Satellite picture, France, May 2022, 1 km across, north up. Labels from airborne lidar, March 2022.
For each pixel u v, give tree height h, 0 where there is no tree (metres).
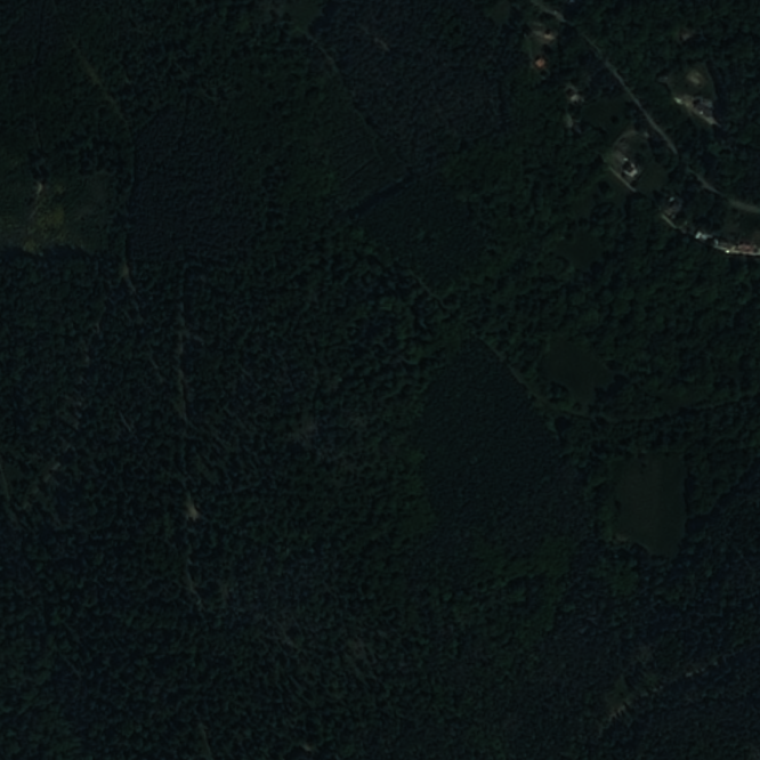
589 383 0
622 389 21
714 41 21
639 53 26
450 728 23
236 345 16
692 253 24
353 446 9
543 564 27
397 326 31
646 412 13
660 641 24
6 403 7
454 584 18
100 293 19
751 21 24
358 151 6
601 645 23
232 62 6
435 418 16
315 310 12
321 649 9
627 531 0
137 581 28
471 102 23
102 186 0
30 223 0
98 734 31
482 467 19
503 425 20
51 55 10
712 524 24
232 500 23
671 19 24
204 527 13
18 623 26
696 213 12
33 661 34
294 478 21
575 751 20
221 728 17
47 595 35
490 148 19
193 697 27
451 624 20
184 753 30
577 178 20
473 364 17
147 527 28
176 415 21
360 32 25
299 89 15
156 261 13
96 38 6
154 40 7
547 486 26
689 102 0
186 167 12
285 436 7
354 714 22
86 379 20
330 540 6
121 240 8
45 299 17
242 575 22
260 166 6
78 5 12
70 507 33
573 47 20
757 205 15
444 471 18
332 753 23
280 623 23
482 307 18
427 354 15
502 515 27
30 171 6
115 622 33
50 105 9
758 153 18
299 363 8
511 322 9
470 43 19
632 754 20
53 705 32
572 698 19
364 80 24
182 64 10
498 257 13
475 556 11
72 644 30
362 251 16
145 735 30
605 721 25
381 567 9
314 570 15
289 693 28
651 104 21
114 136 6
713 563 19
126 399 13
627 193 0
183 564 7
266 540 7
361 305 30
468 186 11
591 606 29
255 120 8
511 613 17
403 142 24
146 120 7
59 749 28
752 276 19
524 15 21
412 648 25
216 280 17
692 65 11
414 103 25
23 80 19
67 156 7
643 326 17
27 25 20
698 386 20
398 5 27
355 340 23
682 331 10
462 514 18
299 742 12
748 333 18
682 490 0
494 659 21
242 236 14
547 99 23
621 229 16
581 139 22
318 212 22
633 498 0
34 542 18
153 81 17
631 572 24
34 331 14
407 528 14
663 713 19
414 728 24
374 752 22
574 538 25
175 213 17
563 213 16
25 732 28
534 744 23
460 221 24
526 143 16
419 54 24
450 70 26
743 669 22
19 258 21
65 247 0
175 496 28
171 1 7
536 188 20
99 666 39
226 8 7
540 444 20
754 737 16
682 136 12
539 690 21
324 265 24
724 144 29
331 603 14
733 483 18
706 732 19
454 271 19
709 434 19
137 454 20
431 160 24
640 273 22
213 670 25
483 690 23
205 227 14
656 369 16
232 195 10
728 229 0
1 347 13
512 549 21
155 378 21
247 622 14
